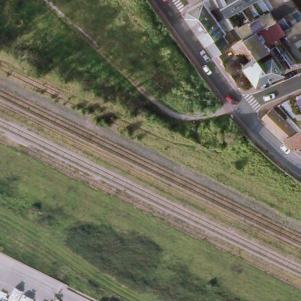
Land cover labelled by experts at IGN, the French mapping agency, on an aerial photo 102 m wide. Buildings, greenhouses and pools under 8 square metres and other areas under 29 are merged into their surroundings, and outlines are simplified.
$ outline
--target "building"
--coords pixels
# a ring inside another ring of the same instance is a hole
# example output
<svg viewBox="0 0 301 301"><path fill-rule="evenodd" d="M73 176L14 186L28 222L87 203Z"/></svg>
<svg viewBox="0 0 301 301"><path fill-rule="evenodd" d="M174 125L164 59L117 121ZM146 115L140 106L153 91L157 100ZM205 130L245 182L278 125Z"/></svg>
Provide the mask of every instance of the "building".
<svg viewBox="0 0 301 301"><path fill-rule="evenodd" d="M280 100L273 111L262 118L262 122L279 138L281 147L286 146L299 152L301 150L301 96L296 96L295 99L293 95Z"/></svg>
<svg viewBox="0 0 301 301"><path fill-rule="evenodd" d="M241 65L243 74L246 75L245 81L250 81L252 85L256 86L256 93L265 91L266 83L275 88L285 82L287 73L301 68L301 0L175 0L174 6L182 19L187 22L190 31L194 32L201 45L212 54L212 60L221 56L225 65L227 62L234 62L236 66Z"/></svg>

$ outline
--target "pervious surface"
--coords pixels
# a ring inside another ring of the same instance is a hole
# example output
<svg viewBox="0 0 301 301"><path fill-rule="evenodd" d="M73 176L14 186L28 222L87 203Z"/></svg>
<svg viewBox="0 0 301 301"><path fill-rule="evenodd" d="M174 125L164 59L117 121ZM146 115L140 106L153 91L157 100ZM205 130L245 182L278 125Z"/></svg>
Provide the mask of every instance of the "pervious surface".
<svg viewBox="0 0 301 301"><path fill-rule="evenodd" d="M116 134L108 128L111 125L107 128L99 127L92 114L81 116L73 109L72 106L78 105L82 100L72 91L65 91L41 78L28 78L26 72L19 67L0 60L0 143L5 146L25 146L20 153L59 170L67 178L86 181L94 190L102 190L121 201L131 202L131 205L140 209L142 213L161 218L170 227L190 238L212 243L221 253L242 256L250 266L301 292L301 225L273 212L269 206L262 206L259 202L249 200L235 190L215 182L192 169L182 168L179 163L167 159L153 148L136 143L138 139L131 141Z"/></svg>

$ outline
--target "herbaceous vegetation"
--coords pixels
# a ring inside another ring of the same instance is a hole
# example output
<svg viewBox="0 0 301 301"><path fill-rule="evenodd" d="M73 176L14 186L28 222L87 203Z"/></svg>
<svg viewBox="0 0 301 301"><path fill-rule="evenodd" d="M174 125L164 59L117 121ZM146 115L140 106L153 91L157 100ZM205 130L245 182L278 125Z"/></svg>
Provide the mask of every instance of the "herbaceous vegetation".
<svg viewBox="0 0 301 301"><path fill-rule="evenodd" d="M61 207L65 213L74 215L76 219L85 223L91 223L91 215L98 214L108 225L113 226L116 233L126 234L134 230L141 236L147 236L155 241L162 248L160 265L156 268L155 274L149 277L148 285L141 290L134 290L123 285L115 276L103 273L66 245L62 246L53 238L47 221L42 225L38 223L36 210L21 218L12 210L0 206L0 253L99 301L161 301L158 294L168 293L169 288L173 287L173 283L163 274L170 266L167 260L175 255L185 260L194 260L192 267L189 268L190 273L202 277L203 280L216 279L230 292L249 301L301 301L301 292L250 266L242 256L221 253L212 243L190 238L170 227L161 218L142 213L140 209L131 205L131 202L121 201L102 190L94 190L86 181L67 178L59 170L20 153L25 146L5 146L0 143L0 179L19 176L20 182L29 187L27 195L35 202L41 202L42 205L47 203L53 208Z"/></svg>
<svg viewBox="0 0 301 301"><path fill-rule="evenodd" d="M301 225L301 182L282 172L277 166L280 160L269 154L268 149L260 145L254 146L259 150L259 154L247 148L245 156L230 167L230 172L234 173L233 179L218 173L215 182L235 190L249 200L259 202L262 206L269 206L273 212Z"/></svg>

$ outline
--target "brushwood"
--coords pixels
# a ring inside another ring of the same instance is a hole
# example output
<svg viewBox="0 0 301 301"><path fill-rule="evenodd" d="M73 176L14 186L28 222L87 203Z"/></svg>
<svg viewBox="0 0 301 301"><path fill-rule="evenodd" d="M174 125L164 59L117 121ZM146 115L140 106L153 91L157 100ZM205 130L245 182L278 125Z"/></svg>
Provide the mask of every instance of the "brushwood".
<svg viewBox="0 0 301 301"><path fill-rule="evenodd" d="M156 268L160 265L162 248L155 241L147 236L141 236L134 230L126 234L116 233L113 226L108 225L98 214L91 215L91 223L85 223L76 219L74 215L65 213L61 207L53 208L47 203L42 205L41 202L35 202L27 195L29 187L20 182L19 176L0 179L0 206L12 210L21 218L36 210L38 223L42 225L47 221L53 238L62 246L66 245L103 273L115 276L123 285L134 290L141 290L148 285L149 277L155 274Z"/></svg>
<svg viewBox="0 0 301 301"><path fill-rule="evenodd" d="M149 15L145 13L145 9L138 7L135 0L52 0L63 14L91 33L106 53L100 56L78 29L67 25L61 16L48 7L46 13L42 13L39 6L33 6L28 2L15 13L13 6L16 0L0 0L0 60L19 67L26 72L28 78L41 78L65 91L72 91L82 100L78 105L72 106L73 109L81 116L92 114L99 127L107 128L111 125L108 128L116 134L131 141L138 139L136 143L153 148L167 159L179 163L182 168L192 169L215 182L218 173L233 179L234 173L230 172L230 167L245 156L247 148L259 154L259 150L254 146L252 141L248 140L249 134L241 136L239 128L235 126L228 113L213 118L213 112L222 107L218 96L210 87L203 86L206 81L198 69L189 62L185 53L176 44L173 34L169 32L165 38L159 40L150 24ZM183 120L162 112L129 82L132 76L138 79L141 86L145 86L146 91L154 95L156 100L166 103L174 111L186 115L208 116L208 119Z"/></svg>
<svg viewBox="0 0 301 301"><path fill-rule="evenodd" d="M173 283L173 287L169 288L168 293L158 294L161 301L249 301L230 292L216 279L203 280L202 277L190 273L189 268L192 267L194 260L185 260L175 255L167 260L170 266L163 274Z"/></svg>

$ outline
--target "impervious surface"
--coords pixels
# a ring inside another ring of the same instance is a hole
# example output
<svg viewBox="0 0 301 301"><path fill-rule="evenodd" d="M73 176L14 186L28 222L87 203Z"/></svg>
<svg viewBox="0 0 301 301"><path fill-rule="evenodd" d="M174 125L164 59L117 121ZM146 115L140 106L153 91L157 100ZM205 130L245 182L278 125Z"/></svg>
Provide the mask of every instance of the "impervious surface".
<svg viewBox="0 0 301 301"><path fill-rule="evenodd" d="M0 253L0 301L99 301Z"/></svg>
<svg viewBox="0 0 301 301"><path fill-rule="evenodd" d="M67 25L78 29L100 56L106 53L91 33L63 14L52 0L48 0L48 7L61 16Z"/></svg>
<svg viewBox="0 0 301 301"><path fill-rule="evenodd" d="M198 69L206 81L203 86L210 87L218 96L222 107L213 112L213 118L228 113L235 126L239 128L241 136L249 134L248 140L252 141L254 146L260 145L268 149L269 154L280 160L277 166L282 172L301 182L301 150L299 152L286 146L281 147L279 138L262 122L262 118L273 111L280 100L293 95L295 99L296 96L301 96L301 68L287 73L285 82L275 88L266 83L265 91L256 93L256 86L252 85L247 91L243 89L243 92L240 92L235 88L236 81L232 74L223 72L225 65L221 56L212 60L212 54L201 45L194 32L190 31L187 22L182 19L174 6L175 0L148 0L169 32L173 34L176 44L185 53L189 62Z"/></svg>
<svg viewBox="0 0 301 301"><path fill-rule="evenodd" d="M132 76L129 82L162 112L183 120L208 119L208 116L186 115L174 111L166 103L156 100L154 95L146 91L145 86L141 86L138 79Z"/></svg>

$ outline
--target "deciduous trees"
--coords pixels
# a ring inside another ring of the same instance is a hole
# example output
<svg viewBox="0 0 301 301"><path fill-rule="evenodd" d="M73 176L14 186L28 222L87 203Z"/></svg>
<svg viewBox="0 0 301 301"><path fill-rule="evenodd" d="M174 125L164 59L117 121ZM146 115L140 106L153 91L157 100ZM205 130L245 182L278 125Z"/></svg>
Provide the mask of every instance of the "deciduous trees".
<svg viewBox="0 0 301 301"><path fill-rule="evenodd" d="M135 0L138 7L145 9L145 13L149 15L150 24L159 40L165 38L169 32L148 0Z"/></svg>
<svg viewBox="0 0 301 301"><path fill-rule="evenodd" d="M225 65L223 72L232 74L236 81L235 88L240 92L243 92L243 89L247 91L252 85L250 81L245 81L246 75L243 74L241 65L236 66L234 62L227 62Z"/></svg>
<svg viewBox="0 0 301 301"><path fill-rule="evenodd" d="M15 13L28 2L33 6L39 6L42 13L46 13L48 7L48 0L16 0L13 6Z"/></svg>

